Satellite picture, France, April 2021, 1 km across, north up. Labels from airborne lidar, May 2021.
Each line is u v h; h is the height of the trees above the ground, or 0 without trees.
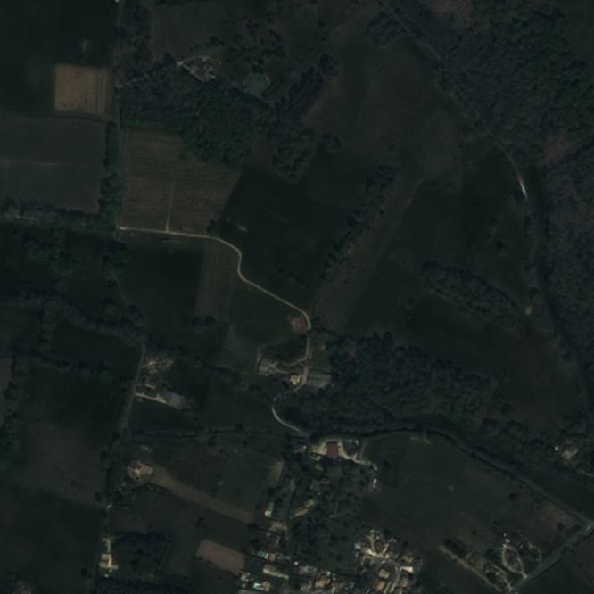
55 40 0
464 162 0
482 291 23
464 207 0
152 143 0
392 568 0
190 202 0
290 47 0
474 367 0
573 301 20
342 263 9
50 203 0
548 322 19
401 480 0
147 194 0
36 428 0
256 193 0
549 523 0
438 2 14
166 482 0
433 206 0
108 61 0
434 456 0
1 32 0
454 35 14
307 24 0
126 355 0
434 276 26
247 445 10
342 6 0
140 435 15
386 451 0
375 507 0
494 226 14
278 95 0
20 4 0
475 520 0
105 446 0
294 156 16
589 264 12
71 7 0
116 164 18
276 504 9
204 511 0
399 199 0
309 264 0
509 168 19
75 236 0
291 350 0
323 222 0
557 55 25
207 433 13
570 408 0
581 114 15
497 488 0
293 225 0
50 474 0
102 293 0
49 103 0
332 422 8
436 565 0
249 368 0
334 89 0
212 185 0
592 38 0
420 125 0
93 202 0
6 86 0
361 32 0
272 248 0
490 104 25
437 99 0
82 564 0
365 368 17
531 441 14
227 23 6
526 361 0
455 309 0
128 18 0
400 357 12
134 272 0
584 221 17
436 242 0
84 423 0
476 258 0
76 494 0
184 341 0
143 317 16
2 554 0
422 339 0
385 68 0
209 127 16
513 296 0
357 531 8
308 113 15
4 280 0
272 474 0
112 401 0
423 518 0
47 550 0
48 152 0
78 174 0
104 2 0
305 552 7
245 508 0
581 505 0
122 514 0
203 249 0
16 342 0
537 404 0
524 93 25
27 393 0
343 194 0
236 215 0
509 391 0
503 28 25
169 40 0
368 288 0
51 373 0
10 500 0
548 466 21
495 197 0
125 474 7
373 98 0
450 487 0
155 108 16
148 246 0
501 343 0
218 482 7
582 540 11
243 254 0
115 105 0
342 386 25
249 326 0
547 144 15
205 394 0
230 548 0
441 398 20
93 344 0
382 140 0
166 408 0
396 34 14
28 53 0
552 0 10
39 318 0
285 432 0
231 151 20
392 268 0
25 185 0
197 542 0
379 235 0
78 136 0
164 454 0
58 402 0
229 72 0
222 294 0
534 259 0
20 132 0
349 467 19
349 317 0
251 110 22
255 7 0
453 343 0
